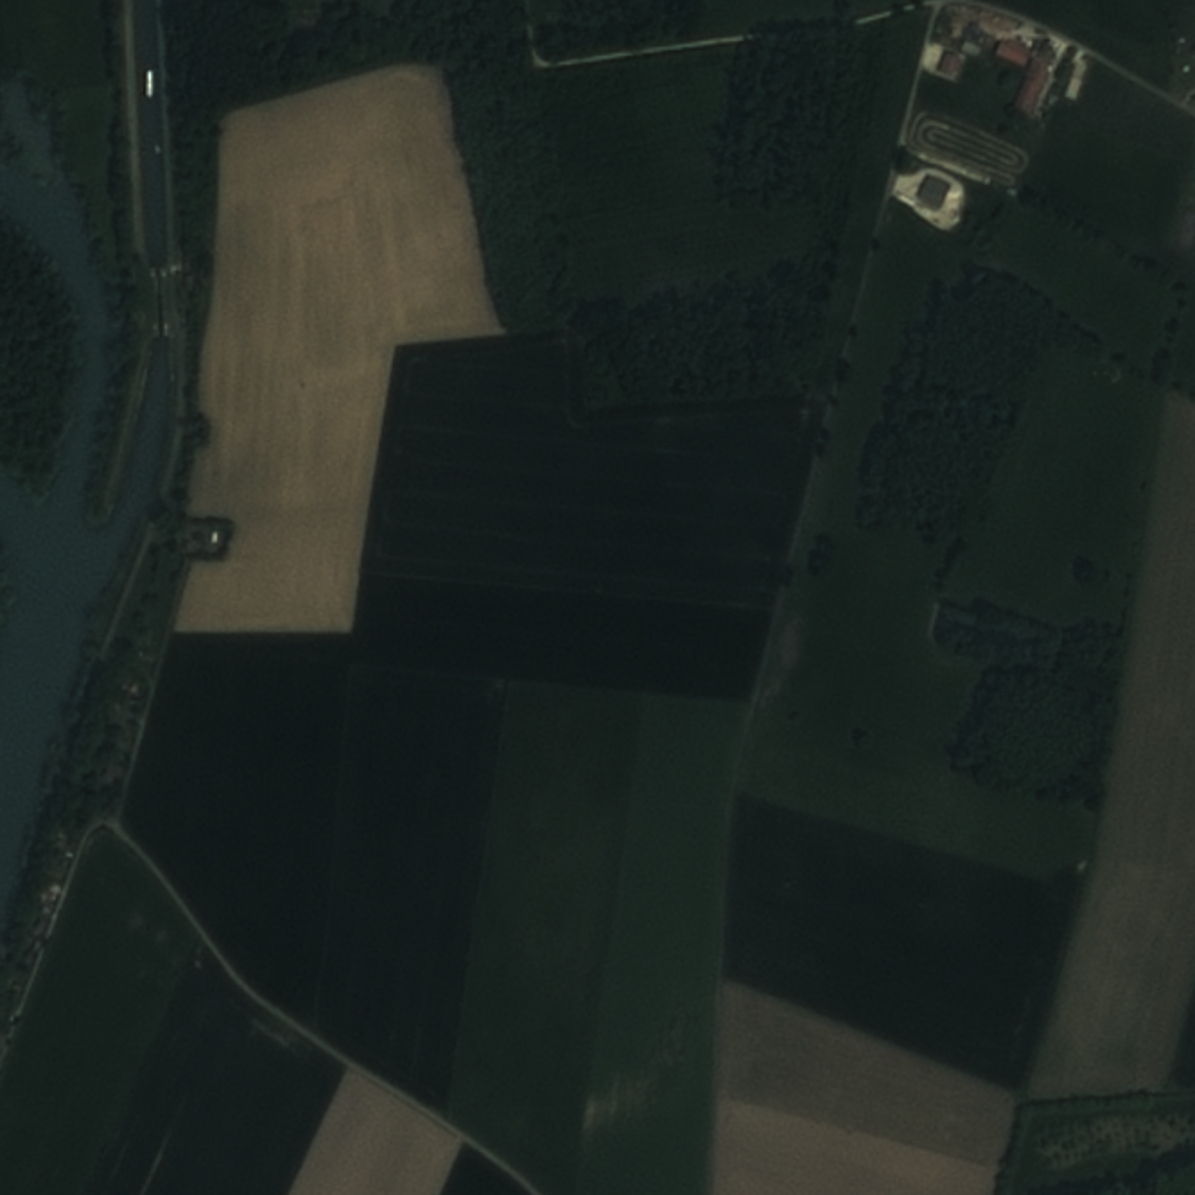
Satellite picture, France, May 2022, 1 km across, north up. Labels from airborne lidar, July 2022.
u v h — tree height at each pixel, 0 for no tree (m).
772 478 0
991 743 26
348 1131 0
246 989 0
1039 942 0
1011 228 0
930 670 0
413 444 0
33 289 16
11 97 0
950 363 26
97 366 0
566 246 23
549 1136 0
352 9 10
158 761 0
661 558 0
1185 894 0
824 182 14
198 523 9
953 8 0
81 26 0
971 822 0
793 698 0
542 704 0
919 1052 0
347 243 0
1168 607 0
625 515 0
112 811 14
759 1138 0
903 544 0
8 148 6
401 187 0
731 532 0
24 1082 0
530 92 21
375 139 0
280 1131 0
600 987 0
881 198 0
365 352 0
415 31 21
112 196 12
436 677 0
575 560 0
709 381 18
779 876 0
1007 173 0
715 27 0
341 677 0
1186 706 0
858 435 0
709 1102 0
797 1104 0
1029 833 0
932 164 0
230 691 0
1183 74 0
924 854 0
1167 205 0
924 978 0
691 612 0
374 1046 0
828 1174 0
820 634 0
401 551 0
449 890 0
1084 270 0
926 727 0
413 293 0
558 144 8
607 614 0
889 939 0
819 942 0
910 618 0
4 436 14
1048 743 30
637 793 0
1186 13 0
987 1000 0
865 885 0
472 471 0
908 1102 0
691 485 0
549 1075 0
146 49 0
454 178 0
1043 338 25
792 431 0
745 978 0
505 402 0
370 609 0
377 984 0
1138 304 0
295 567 0
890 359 0
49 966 0
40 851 17
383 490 0
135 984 0
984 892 0
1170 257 0
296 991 0
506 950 0
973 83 0
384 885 0
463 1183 0
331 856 0
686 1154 0
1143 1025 0
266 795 0
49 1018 0
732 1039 0
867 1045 0
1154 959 0
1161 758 0
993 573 0
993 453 23
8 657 0
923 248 0
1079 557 0
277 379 0
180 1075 0
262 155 0
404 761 0
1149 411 0
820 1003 0
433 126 0
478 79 25
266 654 0
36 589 0
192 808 0
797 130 26
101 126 0
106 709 7
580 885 0
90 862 0
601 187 7
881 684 0
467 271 0
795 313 26
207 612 0
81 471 0
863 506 11
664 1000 0
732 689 0
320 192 0
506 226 26
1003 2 0
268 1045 0
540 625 0
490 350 0
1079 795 20
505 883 0
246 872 0
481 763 0
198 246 10
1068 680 11
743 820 0
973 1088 0
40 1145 0
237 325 0
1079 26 0
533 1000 0
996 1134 0
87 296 0
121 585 0
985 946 0
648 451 0
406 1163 0
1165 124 0
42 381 19
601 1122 0
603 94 7
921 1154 0
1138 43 0
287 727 0
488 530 0
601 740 0
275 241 0
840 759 0
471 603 0
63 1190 0
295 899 0
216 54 36
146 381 0
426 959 0
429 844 0
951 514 22
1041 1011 0
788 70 34
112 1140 0
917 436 23
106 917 0
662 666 0
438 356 0
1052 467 0
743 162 27
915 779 0
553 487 0
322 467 0
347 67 14
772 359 24
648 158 7
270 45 8
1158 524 0
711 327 26
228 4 36
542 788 0
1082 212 0
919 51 0
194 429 14
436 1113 0
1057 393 0
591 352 10
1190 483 0
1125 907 0
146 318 0
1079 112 0
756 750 0
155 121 0
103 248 11
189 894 0
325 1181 0
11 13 0
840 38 17
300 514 0
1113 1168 0
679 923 0
